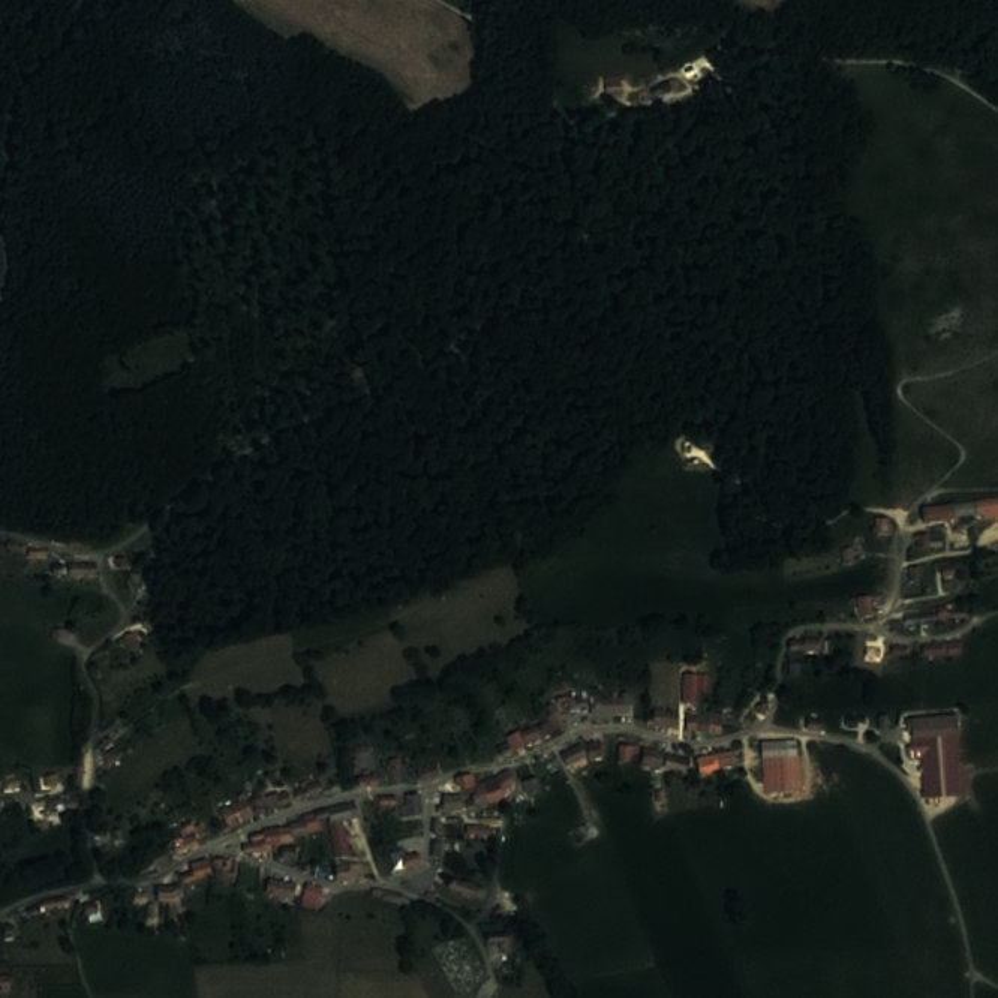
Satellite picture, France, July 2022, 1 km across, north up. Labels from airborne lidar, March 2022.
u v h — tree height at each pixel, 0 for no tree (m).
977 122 0
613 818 0
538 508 32
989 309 0
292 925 0
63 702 0
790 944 0
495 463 29
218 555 32
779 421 27
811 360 29
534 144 32
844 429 31
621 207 28
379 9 0
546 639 13
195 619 13
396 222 27
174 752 0
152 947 0
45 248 20
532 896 0
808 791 0
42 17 28
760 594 0
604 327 27
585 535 11
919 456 0
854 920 0
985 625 0
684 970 0
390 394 30
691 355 25
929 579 0
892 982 0
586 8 13
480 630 0
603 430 33
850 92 12
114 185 26
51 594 11
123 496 20
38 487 22
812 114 23
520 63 29
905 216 0
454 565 30
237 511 27
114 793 0
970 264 0
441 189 30
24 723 0
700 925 0
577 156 32
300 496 28
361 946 0
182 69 23
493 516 29
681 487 0
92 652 0
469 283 30
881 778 0
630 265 26
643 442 31
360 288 31
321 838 0
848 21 21
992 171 0
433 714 0
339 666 0
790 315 28
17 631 0
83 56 25
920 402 0
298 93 18
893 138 0
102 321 18
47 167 30
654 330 31
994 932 0
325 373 28
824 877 0
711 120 31
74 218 20
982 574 6
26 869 20
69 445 17
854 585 0
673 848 0
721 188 31
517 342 26
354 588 29
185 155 28
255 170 29
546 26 28
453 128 21
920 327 0
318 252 28
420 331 25
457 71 0
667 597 0
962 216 0
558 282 27
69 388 14
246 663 0
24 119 28
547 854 0
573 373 27
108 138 21
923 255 0
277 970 0
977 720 0
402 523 29
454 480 31
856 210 0
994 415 0
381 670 0
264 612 28
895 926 0
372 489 30
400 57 0
